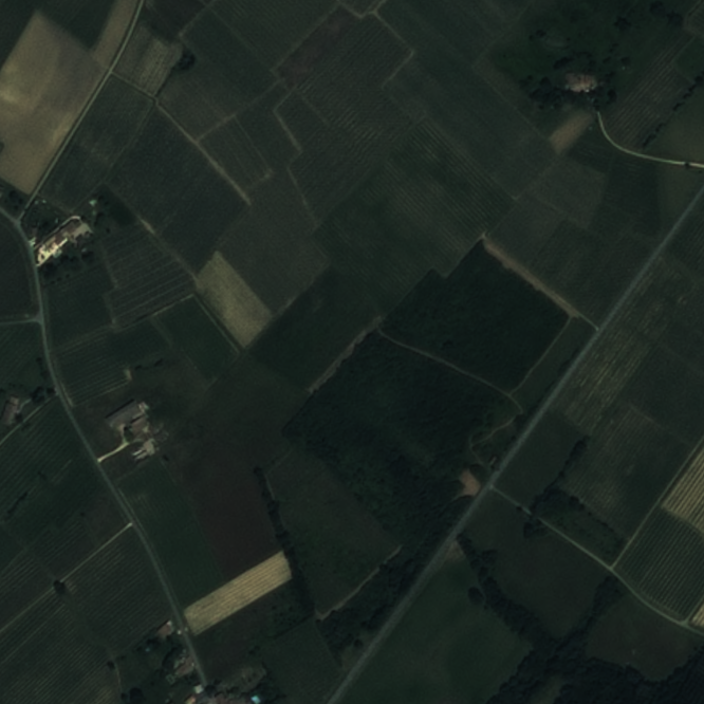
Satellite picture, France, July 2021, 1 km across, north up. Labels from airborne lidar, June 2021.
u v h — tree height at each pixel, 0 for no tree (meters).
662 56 0
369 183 0
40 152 0
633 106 0
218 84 0
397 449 7
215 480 0
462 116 0
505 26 0
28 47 0
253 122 0
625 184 0
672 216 0
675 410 0
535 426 0
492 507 0
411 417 6
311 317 0
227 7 0
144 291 0
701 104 0
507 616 14
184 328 0
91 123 0
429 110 0
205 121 0
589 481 0
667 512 0
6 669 0
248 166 0
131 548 0
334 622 10
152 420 0
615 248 0
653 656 0
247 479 0
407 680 0
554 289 0
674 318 0
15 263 0
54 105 0
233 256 0
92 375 0
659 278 0
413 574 11
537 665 17
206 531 0
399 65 0
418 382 6
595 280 0
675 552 0
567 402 0
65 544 0
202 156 0
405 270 0
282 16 0
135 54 0
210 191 0
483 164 0
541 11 0
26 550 0
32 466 0
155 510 0
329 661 0
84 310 0
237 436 0
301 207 0
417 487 12
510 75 0
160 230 0
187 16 0
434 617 0
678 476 0
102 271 0
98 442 0
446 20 0
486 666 0
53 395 13
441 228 0
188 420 0
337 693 0
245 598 0
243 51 0
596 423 0
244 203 0
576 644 13
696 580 0
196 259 0
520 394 0
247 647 0
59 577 0
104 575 0
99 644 0
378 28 0
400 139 0
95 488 0
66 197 0
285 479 0
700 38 0
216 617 0
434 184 0
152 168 0
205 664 0
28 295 0
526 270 0
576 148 0
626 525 0
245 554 0
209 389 0
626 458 0
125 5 0
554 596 0
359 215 0
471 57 0
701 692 26
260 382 0
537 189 0
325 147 0
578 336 0
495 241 0
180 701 0
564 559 0
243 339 0
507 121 0
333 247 0
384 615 19
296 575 12
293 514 0
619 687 22
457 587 0
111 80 0
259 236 0
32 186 0
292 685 0
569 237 0
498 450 0
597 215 0
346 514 0
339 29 0
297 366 0
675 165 0
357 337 0
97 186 0
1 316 0
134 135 0
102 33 0
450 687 0
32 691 0
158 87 0
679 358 0
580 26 0
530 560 0
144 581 0
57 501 0
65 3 0
